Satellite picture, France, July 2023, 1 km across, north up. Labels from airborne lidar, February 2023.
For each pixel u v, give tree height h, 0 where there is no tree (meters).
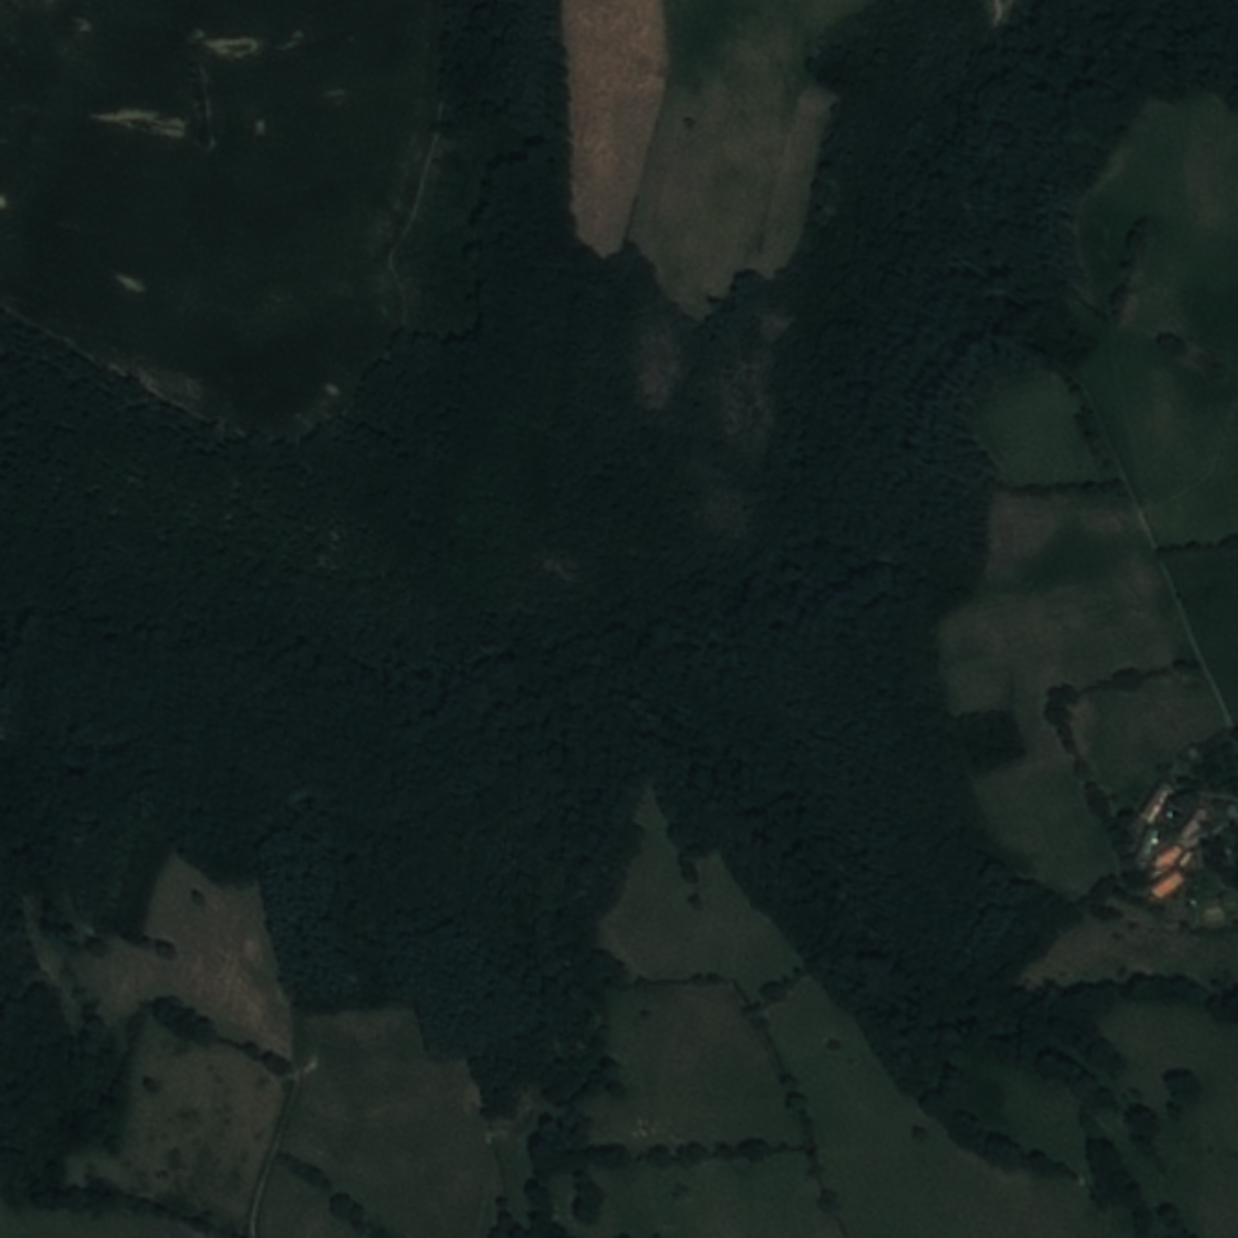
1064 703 10
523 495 15
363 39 0
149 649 23
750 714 13
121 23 0
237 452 22
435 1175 0
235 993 0
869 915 23
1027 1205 0
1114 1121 0
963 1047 21
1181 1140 0
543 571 12
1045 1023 27
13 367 23
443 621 21
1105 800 10
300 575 13
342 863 20
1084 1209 0
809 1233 0
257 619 24
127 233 0
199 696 21
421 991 25
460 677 25
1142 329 0
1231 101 12
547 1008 24
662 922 0
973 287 21
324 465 21
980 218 8
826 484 20
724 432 7
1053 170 11
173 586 20
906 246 21
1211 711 0
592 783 21
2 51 0
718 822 19
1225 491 0
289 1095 0
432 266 0
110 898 18
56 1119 8
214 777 20
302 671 23
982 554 12
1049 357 23
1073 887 0
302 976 24
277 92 0
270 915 10
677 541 17
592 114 0
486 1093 11
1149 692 0
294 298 0
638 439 11
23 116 0
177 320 0
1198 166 0
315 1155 0
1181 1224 9
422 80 0
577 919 22
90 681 17
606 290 13
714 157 0
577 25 0
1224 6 14
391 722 23
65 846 20
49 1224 0
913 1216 0
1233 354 0
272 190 0
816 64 15
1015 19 21
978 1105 0
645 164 0
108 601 20
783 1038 0
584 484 12
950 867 14
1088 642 0
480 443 25
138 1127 0
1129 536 0
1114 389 0
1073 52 27
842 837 21
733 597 20
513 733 16
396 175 0
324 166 0
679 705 24
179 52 0
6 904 25
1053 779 0
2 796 26
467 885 12
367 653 24
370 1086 0
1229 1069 0
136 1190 0
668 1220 0
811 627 19
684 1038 0
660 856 0
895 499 15
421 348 21
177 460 19
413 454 19
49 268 0
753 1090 0
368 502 21
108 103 0
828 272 8
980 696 0
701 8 0
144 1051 0
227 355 0
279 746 25
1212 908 0
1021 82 26
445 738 26
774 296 8
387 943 18
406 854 18
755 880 18
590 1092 9
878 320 27
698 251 0
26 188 0
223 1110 0
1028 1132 0
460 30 14
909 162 14
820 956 11
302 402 0
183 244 0
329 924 23
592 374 9
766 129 0
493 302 29
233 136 0
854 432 18
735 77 0
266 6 0
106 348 0
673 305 6
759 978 0
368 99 0
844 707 16
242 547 20
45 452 17
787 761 21
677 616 20
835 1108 0
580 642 18
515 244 25
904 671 15
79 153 0
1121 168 0
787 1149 9
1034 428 0
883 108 8
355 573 14
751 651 12
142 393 21
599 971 21
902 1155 0
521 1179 0
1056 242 23
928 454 26
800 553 27
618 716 14
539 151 22
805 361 18
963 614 0
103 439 21
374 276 0
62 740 16
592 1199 19
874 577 15
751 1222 0
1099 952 0
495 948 22
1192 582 0
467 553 19
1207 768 6
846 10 0
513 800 16
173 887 0
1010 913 21
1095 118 19
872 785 11
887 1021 23
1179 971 0
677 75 0
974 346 15
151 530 19
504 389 20
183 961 0
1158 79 20
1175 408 0
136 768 15
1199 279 0
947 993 28
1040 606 0
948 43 12
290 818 22
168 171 0
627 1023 0
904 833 16
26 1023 22
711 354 6
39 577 22
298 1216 0
